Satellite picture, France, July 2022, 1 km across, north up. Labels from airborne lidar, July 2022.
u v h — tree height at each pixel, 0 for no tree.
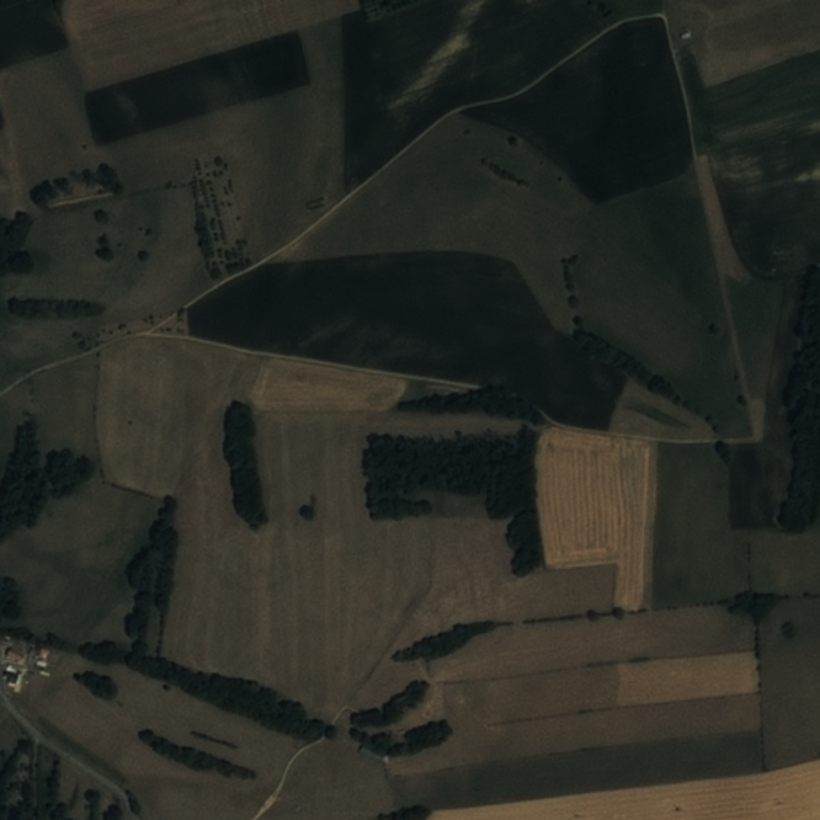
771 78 0
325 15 0
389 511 16
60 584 0
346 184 0
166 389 0
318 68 0
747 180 0
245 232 0
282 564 0
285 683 0
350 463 0
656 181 0
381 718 14
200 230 12
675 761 0
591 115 0
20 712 0
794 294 0
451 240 0
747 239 0
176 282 0
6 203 0
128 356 0
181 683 15
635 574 0
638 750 0
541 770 0
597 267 0
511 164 0
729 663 0
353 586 0
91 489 0
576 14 0
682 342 0
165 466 0
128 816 0
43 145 0
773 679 0
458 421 0
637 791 0
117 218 0
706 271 0
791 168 0
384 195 0
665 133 0
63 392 0
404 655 6
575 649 0
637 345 0
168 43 0
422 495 0
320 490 0
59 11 5
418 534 0
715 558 0
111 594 0
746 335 0
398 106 0
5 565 0
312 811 0
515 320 0
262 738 0
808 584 0
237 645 0
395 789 0
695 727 0
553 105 0
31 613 0
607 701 0
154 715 0
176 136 0
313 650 0
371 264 0
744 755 0
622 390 0
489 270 0
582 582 0
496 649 0
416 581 0
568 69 0
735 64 0
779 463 0
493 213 0
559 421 0
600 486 0
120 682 0
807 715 0
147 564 18
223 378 0
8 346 0
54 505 0
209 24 0
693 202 0
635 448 0
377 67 0
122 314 0
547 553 0
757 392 0
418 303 0
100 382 0
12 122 0
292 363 0
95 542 0
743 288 0
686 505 0
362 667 0
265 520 8
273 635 0
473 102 0
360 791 0
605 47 0
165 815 0
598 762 0
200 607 0
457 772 0
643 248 0
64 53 0
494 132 0
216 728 0
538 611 0
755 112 0
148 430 0
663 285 0
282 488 0
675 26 0
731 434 0
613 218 0
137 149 0
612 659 0
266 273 0
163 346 0
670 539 0
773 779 0
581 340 22
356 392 0
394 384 0
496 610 0
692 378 0
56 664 0
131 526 0
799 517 19
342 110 0
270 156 0
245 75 0
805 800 0
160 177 0
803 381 25
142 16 0
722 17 0
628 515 0
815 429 19
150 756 0
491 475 7
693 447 0
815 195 0
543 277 0
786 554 0
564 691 0
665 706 0
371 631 0
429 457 20
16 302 13
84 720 0
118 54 0
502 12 0
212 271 8
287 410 0
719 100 0
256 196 0
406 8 18
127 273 0
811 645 0
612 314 0
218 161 7
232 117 0
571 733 0
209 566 0
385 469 18
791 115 0
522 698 0
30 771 7
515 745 0
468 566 0
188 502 0
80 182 20
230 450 17
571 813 0
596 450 0
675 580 0
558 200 0
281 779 0
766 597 10
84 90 0
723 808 0
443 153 0
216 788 0
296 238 0
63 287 0
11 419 0
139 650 16
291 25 0
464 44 0
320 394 0
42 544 0
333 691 0
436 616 0
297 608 0
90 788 0
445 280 0
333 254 0
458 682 0
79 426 0
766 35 0
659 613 0
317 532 0
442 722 6
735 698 0
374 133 0
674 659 0
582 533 0
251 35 0
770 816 0
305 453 0
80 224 0
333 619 0
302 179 0
